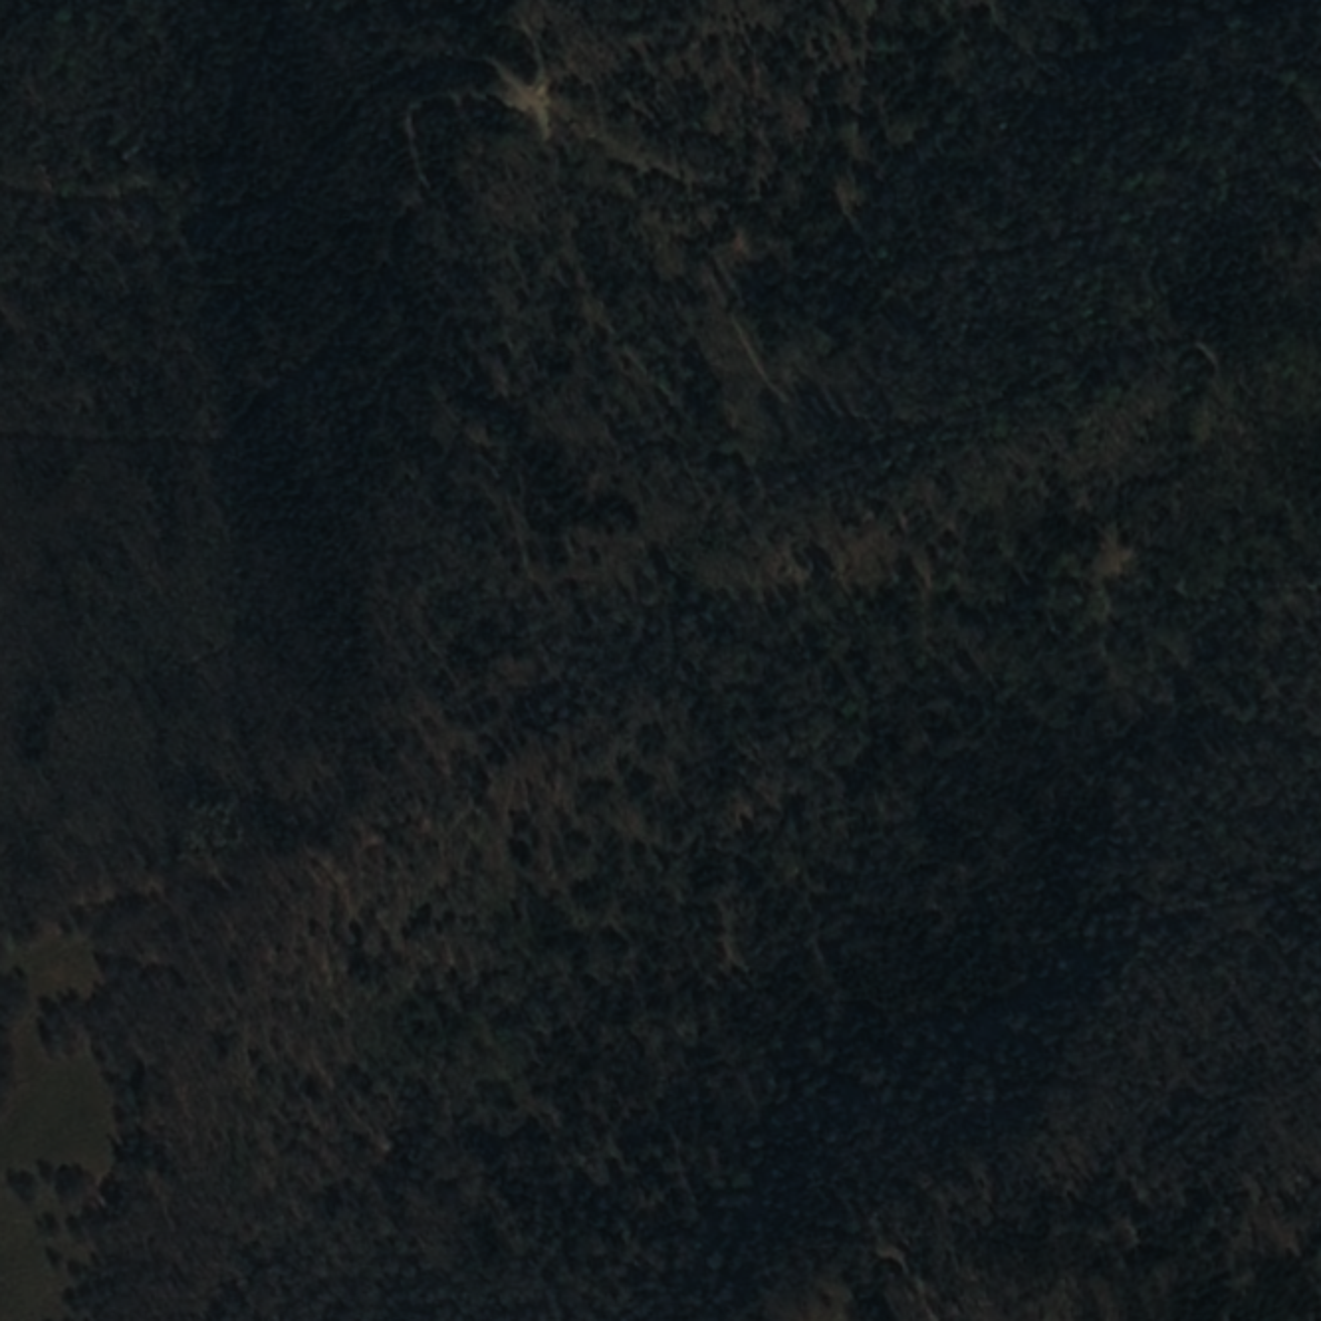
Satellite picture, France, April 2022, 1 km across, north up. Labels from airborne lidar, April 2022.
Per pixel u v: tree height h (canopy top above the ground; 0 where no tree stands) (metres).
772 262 32
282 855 28
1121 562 0
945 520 22
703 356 8
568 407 17
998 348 31
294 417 26
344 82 22
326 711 23
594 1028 20
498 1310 26
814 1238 21
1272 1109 36
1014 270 33
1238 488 31
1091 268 35
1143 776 9
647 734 24
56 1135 0
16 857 18
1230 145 30
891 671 30
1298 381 28
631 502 10
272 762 25
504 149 20
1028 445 29
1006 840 21
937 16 26
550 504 25
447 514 24
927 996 24
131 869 24
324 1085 15
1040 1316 19
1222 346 20
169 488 27
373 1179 20
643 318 37
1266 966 35
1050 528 23
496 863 15
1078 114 39
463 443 20
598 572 13
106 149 34
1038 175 25
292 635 25
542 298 19
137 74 30
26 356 27
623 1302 27
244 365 31
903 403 31
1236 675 17
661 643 31
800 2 35
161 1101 21
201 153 11
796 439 43
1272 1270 14
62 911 18
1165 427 11
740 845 33
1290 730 15
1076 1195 8
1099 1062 35
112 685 23
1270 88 29
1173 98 33
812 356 35
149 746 21
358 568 24
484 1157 38
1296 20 27
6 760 19
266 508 25
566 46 10
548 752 14
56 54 35
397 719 22
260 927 29
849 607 35
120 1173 10
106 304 32
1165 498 19
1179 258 33
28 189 22
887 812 28
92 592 25
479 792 18
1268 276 30
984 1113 28
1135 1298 23
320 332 28
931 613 8
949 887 24
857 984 31
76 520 26
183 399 28
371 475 26
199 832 27
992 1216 24
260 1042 26
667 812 19
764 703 20
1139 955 34
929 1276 23
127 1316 16
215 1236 29
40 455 26
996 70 32
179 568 24
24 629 20
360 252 28
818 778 32
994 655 10
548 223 27
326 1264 32
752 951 29
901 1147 27
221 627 25
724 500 40
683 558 12
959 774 15
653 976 17
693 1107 26
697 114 32
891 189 37
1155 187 31
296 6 24
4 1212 0
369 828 23
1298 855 37
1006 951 30
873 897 31
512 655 20
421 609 23
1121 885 36
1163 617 36
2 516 21
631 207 28
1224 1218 21
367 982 35
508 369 18
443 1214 25
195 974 25
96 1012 13
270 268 28
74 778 21
